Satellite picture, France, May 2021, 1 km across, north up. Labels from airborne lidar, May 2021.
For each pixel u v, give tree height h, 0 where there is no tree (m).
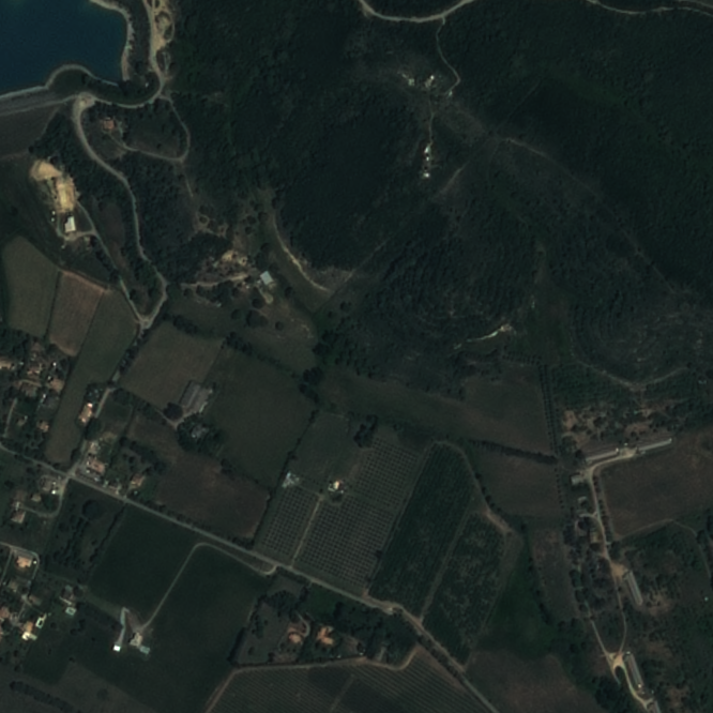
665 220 7
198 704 0
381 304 10
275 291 0
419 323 7
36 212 0
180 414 16
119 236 0
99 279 0
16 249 0
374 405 0
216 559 0
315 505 0
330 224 6
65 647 0
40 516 0
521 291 7
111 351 0
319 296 0
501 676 0
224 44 7
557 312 0
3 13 0
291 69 6
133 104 0
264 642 0
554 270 7
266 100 6
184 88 0
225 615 0
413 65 0
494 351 7
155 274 7
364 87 10
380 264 11
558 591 0
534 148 0
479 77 7
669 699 6
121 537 0
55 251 0
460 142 7
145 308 0
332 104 6
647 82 8
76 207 0
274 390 0
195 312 0
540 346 0
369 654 9
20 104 0
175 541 0
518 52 12
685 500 0
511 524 8
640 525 0
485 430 0
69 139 8
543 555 0
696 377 8
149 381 0
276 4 6
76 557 9
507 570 0
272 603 14
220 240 9
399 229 7
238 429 0
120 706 0
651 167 8
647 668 8
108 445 0
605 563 16
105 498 0
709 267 7
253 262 10
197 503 0
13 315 0
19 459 8
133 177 7
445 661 15
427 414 0
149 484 0
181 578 0
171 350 0
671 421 8
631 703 12
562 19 7
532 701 0
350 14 7
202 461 0
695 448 0
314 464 0
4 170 0
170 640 0
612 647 0
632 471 0
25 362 8
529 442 0
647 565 7
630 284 7
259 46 11
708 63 6
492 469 0
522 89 6
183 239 10
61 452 0
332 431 0
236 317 14
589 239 7
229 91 10
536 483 0
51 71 0
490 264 6
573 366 6
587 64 9
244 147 7
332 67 6
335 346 12
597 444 0
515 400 0
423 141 7
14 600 7
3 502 0
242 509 0
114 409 0
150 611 0
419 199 11
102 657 0
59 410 0
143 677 0
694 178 7
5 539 0
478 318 9
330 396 0
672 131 7
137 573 0
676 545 9
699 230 12
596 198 7
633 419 9
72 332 0
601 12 6
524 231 9
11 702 0
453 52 9
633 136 7
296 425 0
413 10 8
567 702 0
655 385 6
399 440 0
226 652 0
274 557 0
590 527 15
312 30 6
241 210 9
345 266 6
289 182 12
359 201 6
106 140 8
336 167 6
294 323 0
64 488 0
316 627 12
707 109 7
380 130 7
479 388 0
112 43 0
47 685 0
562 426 9
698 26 7
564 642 6
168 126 9
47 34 0
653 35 6
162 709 0
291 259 0
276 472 0
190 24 14
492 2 7
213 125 6
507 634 0
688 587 0
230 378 0
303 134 6
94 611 11
